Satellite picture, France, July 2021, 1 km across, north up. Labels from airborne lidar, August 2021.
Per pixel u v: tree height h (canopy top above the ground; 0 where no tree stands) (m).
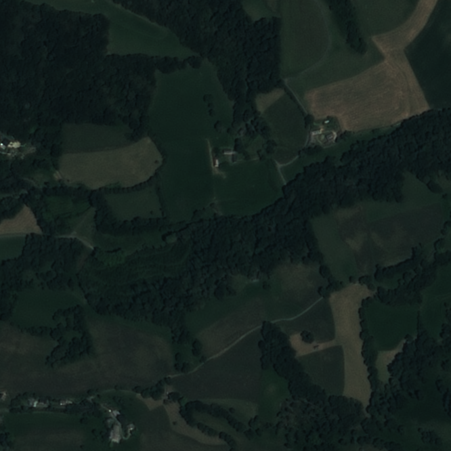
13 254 0
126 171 0
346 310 0
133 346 0
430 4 0
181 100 0
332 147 0
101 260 32
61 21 23
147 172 0
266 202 0
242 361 0
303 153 17
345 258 0
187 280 20
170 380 17
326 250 0
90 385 0
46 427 0
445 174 16
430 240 0
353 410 24
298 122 0
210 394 0
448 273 0
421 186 0
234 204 0
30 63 18
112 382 0
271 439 0
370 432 28
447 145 21
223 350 0
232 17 26
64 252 15
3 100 13
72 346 12
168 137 0
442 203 0
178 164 0
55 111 15
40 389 0
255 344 0
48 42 23
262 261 28
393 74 0
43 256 14
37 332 12
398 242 0
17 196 11
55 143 10
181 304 24
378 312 0
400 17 0
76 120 9
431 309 0
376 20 0
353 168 23
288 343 27
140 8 15
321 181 25
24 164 28
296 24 0
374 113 0
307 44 0
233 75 8
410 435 0
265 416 0
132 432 12
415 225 0
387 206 0
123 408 7
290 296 0
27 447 0
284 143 0
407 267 27
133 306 12
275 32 21
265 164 0
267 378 0
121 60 28
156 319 27
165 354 0
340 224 0
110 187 7
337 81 0
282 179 0
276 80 22
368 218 0
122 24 0
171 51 0
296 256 23
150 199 0
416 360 24
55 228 21
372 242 0
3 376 0
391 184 32
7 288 14
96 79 27
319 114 0
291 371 26
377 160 24
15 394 0
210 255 25
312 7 0
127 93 19
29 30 17
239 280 0
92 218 0
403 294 16
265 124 18
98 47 21
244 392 0
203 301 13
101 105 10
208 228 16
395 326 0
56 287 11
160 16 14
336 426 34
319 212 25
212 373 0
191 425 17
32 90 16
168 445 0
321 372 0
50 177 0
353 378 0
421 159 28
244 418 0
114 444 6
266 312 0
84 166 0
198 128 0
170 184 0
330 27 0
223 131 16
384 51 0
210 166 0
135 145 0
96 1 0
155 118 0
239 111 22
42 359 0
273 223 30
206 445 0
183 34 10
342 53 0
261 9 0
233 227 26
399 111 0
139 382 0
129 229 16
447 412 18
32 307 0
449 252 8
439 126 16
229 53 20
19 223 0
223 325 0
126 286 7
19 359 0
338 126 0
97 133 0
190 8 22
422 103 0
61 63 27
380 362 0
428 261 13
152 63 22
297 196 27
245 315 0
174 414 0
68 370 0
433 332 0
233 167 0
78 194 19
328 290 14
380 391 22
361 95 0
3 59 14
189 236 17
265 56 18
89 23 16
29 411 15
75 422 0
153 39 0
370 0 0
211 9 21
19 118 17
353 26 21
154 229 14
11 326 8
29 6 16
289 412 24
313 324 0
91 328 0
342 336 0
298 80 0
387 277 24
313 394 24
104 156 0
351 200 25
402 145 27
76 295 0
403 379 33
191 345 7
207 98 17
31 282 6
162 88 0
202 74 0
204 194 0
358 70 0
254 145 0
